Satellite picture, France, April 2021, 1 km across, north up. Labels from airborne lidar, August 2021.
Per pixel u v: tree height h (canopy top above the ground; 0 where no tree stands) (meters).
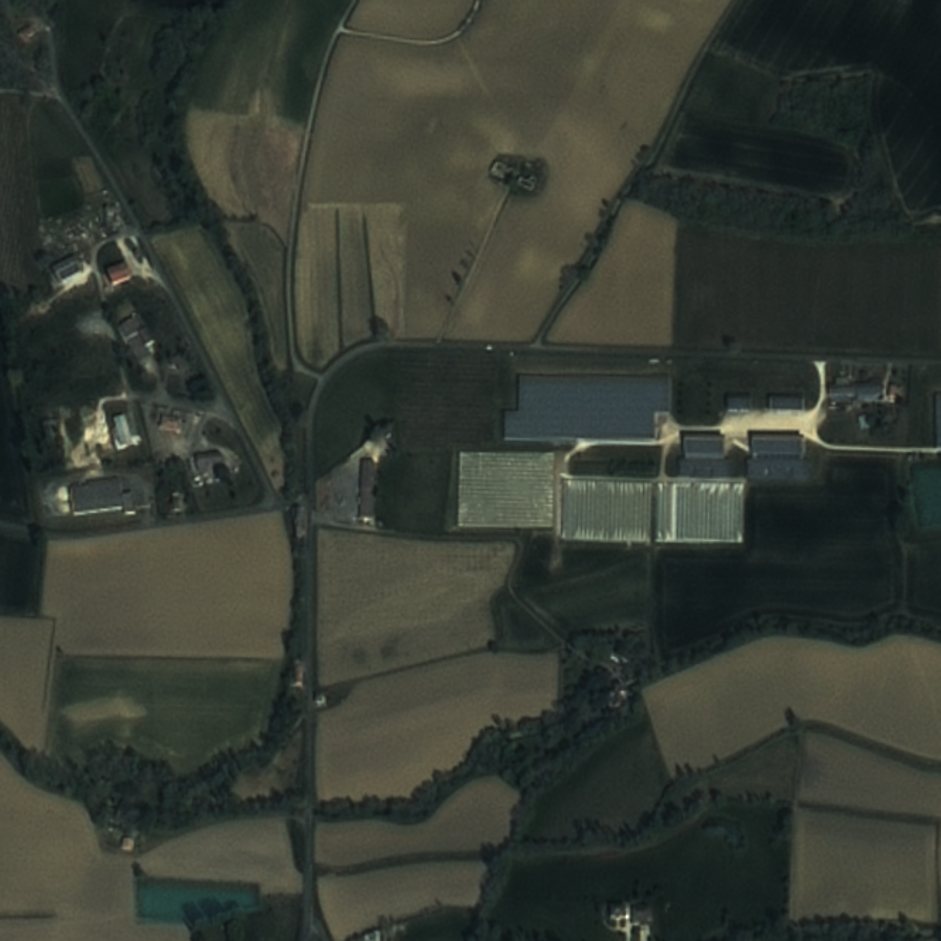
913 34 0
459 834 0
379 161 0
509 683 0
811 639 0
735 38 0
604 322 0
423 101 0
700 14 0
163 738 0
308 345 0
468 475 0
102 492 0
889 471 0
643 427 0
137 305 9
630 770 0
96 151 0
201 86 0
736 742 0
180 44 14
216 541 0
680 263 0
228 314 0
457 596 0
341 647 0
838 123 6
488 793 0
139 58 0
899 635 0
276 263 0
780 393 0
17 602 0
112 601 0
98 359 0
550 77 0
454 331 0
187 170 27
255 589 0
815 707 0
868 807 0
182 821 12
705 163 0
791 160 0
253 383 0
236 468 0
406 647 0
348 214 0
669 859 0
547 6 0
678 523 0
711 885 0
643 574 0
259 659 0
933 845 0
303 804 16
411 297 0
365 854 0
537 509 0
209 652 0
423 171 0
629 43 0
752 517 0
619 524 0
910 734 0
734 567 0
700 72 0
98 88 18
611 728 20
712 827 6
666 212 12
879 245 0
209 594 0
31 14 16
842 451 0
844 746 0
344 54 0
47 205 0
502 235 0
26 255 0
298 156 0
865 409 11
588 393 0
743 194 13
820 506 0
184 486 7
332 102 0
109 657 0
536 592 0
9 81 19
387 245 0
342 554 0
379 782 0
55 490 0
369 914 0
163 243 0
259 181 0
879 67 0
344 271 0
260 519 0
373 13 0
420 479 0
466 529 0
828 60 0
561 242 0
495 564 0
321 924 0
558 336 0
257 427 0
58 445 6
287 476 10
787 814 12
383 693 0
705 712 0
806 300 0
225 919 31
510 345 0
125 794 16
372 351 0
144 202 0
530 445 0
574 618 0
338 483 0
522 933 9
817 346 0
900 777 0
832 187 0
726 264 0
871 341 0
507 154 0
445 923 0
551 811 0
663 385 0
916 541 0
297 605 11
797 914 0
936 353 0
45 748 0
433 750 0
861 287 0
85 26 0
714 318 0
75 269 0
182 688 0
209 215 24
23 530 0
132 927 0
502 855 15
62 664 0
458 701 0
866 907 0
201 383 12
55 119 0
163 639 0
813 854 0
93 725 0
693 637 0
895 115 0
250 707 0
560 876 0
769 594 0
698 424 0
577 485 0
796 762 0
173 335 0
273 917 0
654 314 0
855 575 0
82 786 17
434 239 0
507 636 0
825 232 16
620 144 0
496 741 12
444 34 0
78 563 0
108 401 0
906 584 0
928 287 0
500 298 0
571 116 0
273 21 0
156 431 0
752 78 0
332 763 0
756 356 0
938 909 0
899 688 0
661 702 0
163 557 0
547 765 15
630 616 0
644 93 0
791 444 0
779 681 0
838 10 0
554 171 0
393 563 0
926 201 0
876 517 0
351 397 0
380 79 0
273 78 0
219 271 0
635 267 0
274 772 22
